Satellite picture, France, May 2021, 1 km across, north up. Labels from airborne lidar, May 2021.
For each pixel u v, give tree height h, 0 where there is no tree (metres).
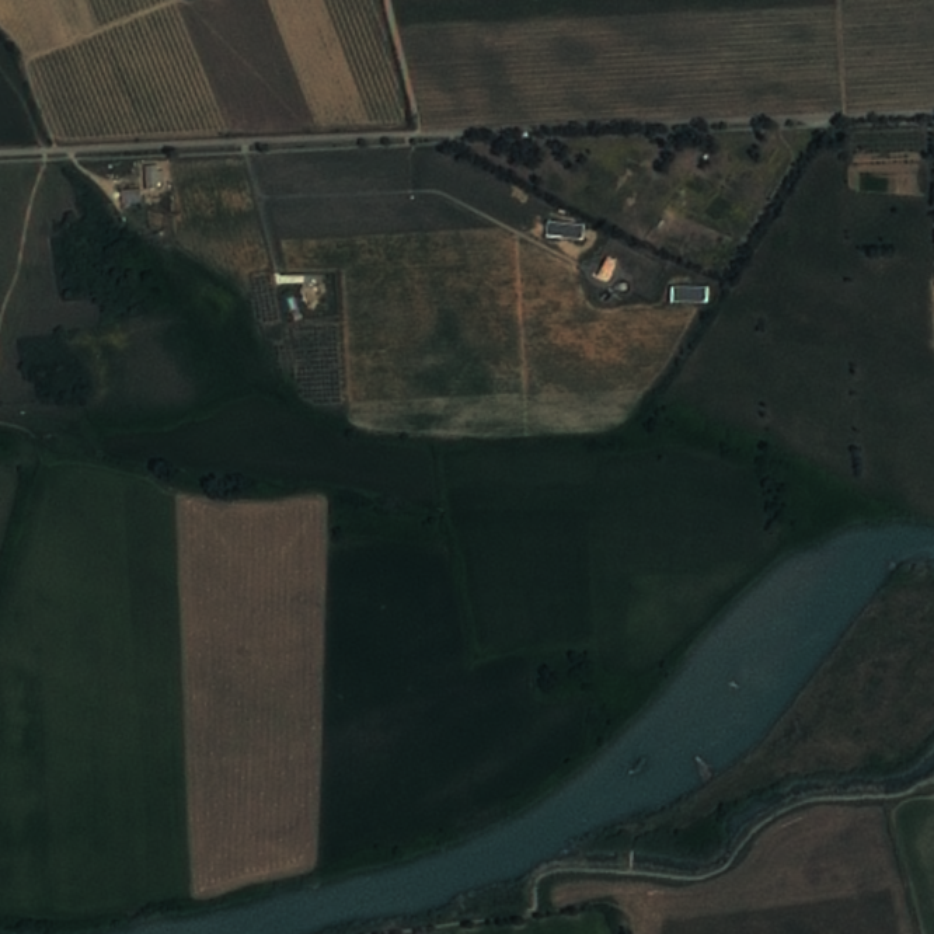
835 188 0
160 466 20
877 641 0
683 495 0
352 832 0
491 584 0
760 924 0
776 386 0
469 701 0
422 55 0
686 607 0
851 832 0
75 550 0
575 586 0
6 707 0
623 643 0
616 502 0
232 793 0
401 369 0
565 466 0
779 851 0
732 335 0
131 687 0
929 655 0
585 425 0
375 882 0
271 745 0
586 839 8
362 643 0
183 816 0
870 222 0
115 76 0
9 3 0
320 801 0
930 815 0
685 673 0
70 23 0
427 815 0
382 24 0
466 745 0
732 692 0
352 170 0
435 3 0
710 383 0
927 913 0
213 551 0
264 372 0
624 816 0
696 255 0
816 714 0
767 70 0
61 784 0
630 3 0
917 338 0
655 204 0
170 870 0
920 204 0
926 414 0
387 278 0
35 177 0
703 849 6
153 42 0
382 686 0
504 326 0
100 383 0
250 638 0
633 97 0
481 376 0
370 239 0
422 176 0
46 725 0
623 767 0
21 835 0
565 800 0
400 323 0
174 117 0
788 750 0
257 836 0
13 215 0
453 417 0
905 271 0
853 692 0
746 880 0
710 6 0
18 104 0
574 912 16
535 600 0
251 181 0
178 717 0
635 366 0
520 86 0
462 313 0
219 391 0
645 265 0
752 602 0
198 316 0
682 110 0
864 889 0
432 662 0
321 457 0
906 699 0
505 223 0
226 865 0
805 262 0
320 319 0
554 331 0
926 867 0
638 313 0
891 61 0
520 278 0
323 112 0
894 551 0
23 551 0
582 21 0
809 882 0
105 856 0
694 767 0
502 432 0
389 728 0
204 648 0
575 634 0
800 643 0
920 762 6
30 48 0
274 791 0
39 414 0
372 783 0
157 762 0
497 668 0
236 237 0
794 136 0
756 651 0
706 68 0
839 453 0
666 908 0
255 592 0
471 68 0
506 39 0
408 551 0
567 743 0
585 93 0
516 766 0
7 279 0
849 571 0
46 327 0
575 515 0
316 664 0
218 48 0
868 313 0
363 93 0
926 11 0
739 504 0
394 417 0
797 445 0
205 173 0
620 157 0
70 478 0
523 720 0
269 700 0
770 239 0
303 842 0
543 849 0
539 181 21
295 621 0
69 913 0
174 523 0
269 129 0
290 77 0
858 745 0
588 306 0
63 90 0
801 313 0
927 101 0
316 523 0
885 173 0
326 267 0
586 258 0
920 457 0
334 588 0
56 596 0
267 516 0
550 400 0
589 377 0
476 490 0
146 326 0
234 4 0
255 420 0
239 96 0
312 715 0
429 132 0
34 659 0
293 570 0
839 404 0
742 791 0
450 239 0
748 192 0
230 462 0
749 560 0
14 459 0
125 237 8
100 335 0
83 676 0
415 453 0
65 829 0
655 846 7
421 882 0
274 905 0
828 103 0
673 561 0
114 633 0
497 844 0
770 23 0
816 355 0
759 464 8
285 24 0
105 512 0
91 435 0
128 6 0
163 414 0
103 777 0
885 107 0
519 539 0
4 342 0
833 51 0
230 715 0
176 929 0
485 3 0
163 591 0
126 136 0
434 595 0
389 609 0
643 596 0
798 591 0
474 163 16
